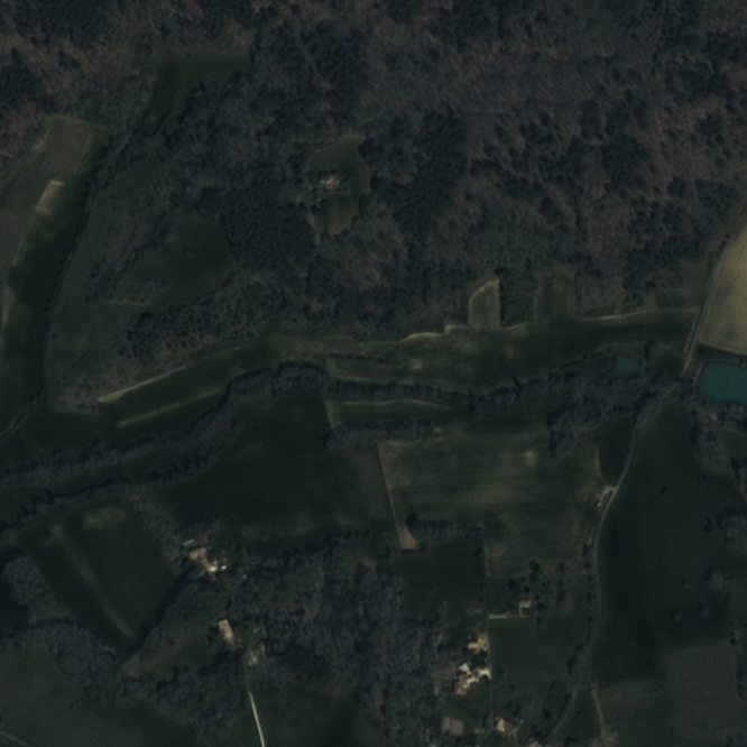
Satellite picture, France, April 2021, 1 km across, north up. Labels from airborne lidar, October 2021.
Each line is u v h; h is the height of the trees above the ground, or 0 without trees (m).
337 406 0
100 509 0
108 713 0
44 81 14
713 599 0
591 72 20
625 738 0
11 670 0
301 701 0
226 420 16
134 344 16
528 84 10
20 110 19
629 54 13
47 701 0
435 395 15
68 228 0
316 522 0
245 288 21
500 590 0
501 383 0
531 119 10
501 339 0
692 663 0
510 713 0
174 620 23
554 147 21
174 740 0
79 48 23
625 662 0
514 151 12
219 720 22
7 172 17
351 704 0
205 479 0
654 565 0
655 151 14
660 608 0
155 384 0
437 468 0
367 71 28
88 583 0
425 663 11
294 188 14
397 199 26
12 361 0
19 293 0
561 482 0
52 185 0
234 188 23
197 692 20
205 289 0
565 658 0
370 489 0
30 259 0
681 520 0
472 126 12
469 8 25
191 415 0
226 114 21
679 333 0
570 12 15
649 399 15
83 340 0
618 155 22
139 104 18
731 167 20
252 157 20
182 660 0
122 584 0
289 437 0
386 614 15
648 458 0
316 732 0
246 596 12
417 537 20
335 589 22
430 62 26
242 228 26
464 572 0
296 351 0
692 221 23
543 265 23
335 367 0
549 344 0
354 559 0
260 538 0
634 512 0
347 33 15
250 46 16
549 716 7
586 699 0
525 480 0
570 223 16
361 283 14
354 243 23
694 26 13
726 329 0
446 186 23
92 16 29
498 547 0
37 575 19
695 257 21
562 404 8
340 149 0
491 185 12
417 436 21
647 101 13
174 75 0
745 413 10
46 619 22
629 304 14
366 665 8
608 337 0
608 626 0
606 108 17
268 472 0
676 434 0
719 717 0
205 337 15
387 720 15
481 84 14
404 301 24
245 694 17
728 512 0
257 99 21
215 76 0
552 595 10
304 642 14
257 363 0
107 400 0
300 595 10
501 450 0
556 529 0
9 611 0
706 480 7
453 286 19
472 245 24
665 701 0
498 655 0
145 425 0
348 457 0
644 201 13
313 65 14
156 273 0
